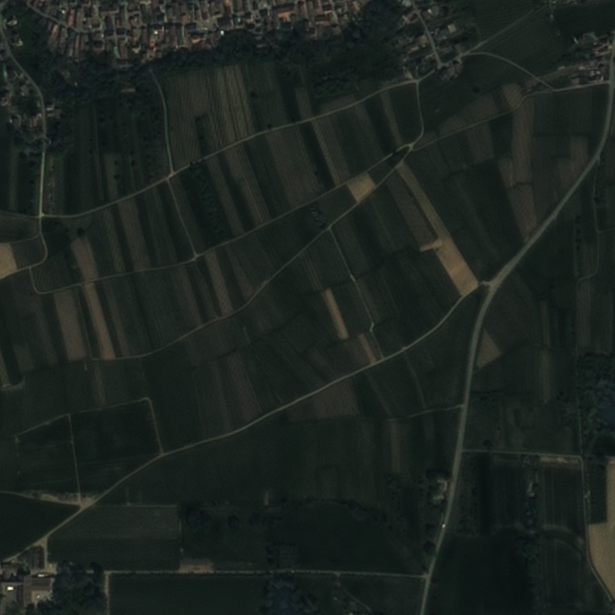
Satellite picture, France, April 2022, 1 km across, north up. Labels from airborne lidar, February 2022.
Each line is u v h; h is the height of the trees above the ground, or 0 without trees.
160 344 0
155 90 14
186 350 0
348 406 0
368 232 0
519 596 0
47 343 0
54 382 0
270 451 0
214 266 0
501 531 0
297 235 0
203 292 0
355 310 0
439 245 0
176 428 0
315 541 0
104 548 0
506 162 0
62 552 0
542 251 0
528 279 0
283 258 0
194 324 0
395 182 0
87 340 0
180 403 0
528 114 0
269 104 0
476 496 11
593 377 6
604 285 0
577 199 0
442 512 7
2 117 0
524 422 0
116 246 0
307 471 0
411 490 0
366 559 0
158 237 0
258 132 0
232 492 0
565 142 0
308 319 0
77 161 0
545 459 0
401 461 0
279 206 0
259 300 0
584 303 0
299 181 0
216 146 0
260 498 0
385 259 0
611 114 0
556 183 0
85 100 14
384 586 0
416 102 0
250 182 0
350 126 0
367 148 0
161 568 0
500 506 0
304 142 0
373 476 0
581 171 0
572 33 0
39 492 0
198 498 0
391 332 0
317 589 0
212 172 0
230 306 0
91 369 0
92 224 0
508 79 0
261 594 0
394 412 0
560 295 0
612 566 0
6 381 0
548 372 0
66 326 0
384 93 0
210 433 0
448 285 0
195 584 0
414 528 0
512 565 0
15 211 0
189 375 0
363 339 0
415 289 0
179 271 0
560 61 8
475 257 0
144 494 0
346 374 0
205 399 0
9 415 0
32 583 0
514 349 0
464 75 0
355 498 0
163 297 0
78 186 0
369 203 0
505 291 0
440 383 0
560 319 0
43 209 0
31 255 0
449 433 0
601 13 0
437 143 0
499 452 0
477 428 0
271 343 0
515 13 0
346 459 0
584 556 0
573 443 0
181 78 0
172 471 0
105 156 0
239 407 0
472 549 0
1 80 0
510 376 0
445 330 0
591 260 0
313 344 0
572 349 0
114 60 0
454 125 0
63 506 0
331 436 0
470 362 0
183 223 0
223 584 0
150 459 0
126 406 0
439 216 0
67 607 23
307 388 0
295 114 0
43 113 0
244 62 13
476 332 0
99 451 0
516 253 0
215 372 0
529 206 0
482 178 0
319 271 0
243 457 0
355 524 0
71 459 0
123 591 0
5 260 0
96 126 0
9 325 0
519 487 0
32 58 0
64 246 0
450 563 0
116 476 0
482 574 0
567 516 0
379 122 0
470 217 0
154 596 0
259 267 0
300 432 0
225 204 0
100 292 0
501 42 0
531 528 13
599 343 0
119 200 0
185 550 0
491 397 7
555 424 0
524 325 0
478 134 0
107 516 0
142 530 0
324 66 0
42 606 8
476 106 0
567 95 0
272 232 0
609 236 0
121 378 0
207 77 0
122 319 0
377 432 0
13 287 0
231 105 0
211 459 0
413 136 0
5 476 0
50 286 0
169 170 0
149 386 0
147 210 0
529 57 0
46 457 0
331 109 0
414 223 0
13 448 0
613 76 0
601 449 0
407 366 0
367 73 0
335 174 0
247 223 0
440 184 0
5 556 0
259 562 0
